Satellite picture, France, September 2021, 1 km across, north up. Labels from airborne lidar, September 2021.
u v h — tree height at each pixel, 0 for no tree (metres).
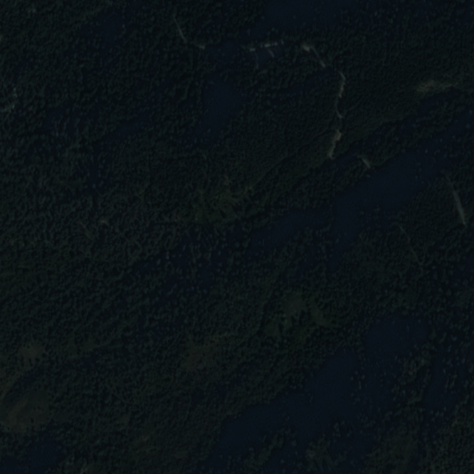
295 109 11
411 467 0
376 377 12
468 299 10
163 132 21
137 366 7
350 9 16
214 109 7
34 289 7
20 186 10
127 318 11
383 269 10
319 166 12
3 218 7
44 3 17
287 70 18
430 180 15
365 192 16
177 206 15
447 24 13
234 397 7
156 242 25
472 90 22
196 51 17
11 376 9
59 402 9
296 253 9
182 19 20
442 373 25
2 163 29
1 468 7
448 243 11
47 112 13
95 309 9
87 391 7
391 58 9
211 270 10
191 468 7
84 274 16
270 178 17
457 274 15
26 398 0
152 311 15
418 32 21
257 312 10
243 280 6
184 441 6
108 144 14
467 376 16
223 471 11
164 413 11
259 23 11
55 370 9
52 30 9
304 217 7
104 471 8
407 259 12
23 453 6
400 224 10
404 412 14
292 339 14
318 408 0
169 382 11
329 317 14
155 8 10
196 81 12
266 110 12
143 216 29
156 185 22
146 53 16
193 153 11
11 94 25
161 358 10
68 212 24
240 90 12
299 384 9
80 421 7
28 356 0
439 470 16
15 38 16
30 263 14
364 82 9
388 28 26
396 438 8
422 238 19
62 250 10
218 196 10
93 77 12
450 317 8
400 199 13
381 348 14
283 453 0
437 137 14
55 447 8
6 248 10
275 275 8
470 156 14
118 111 14
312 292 13
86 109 11
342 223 11
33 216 25
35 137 16
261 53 0
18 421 0
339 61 16
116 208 24
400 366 10
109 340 8
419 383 9
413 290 10
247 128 20
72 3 17
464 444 18
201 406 9
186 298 23
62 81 9
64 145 9
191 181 15
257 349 11
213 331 8
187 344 9
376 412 9
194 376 7
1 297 11
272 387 9
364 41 14
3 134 12
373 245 8
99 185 18
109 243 30
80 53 17
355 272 17
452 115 20
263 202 18
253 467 7
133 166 13
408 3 19
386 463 8
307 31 24
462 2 26
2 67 10
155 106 19
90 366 7
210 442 8
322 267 16
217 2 15
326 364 10
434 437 9
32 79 11
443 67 9
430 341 10
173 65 26
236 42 16
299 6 20
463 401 15
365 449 8
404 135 10
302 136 17
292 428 8
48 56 12
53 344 9
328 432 8
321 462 0
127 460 9
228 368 8
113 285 12
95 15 9
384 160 11
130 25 21
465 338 12
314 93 25
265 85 16
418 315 9
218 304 14
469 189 22
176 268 11
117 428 6
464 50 20
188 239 16
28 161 10
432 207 23
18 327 7
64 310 10
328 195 8
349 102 21
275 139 16
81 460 12
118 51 27
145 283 10
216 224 8
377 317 24
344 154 8
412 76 7
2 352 7
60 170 11
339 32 19
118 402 13
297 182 12
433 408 13
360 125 12
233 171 15
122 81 18
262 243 16
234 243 17
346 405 16
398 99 19
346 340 19
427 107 19
